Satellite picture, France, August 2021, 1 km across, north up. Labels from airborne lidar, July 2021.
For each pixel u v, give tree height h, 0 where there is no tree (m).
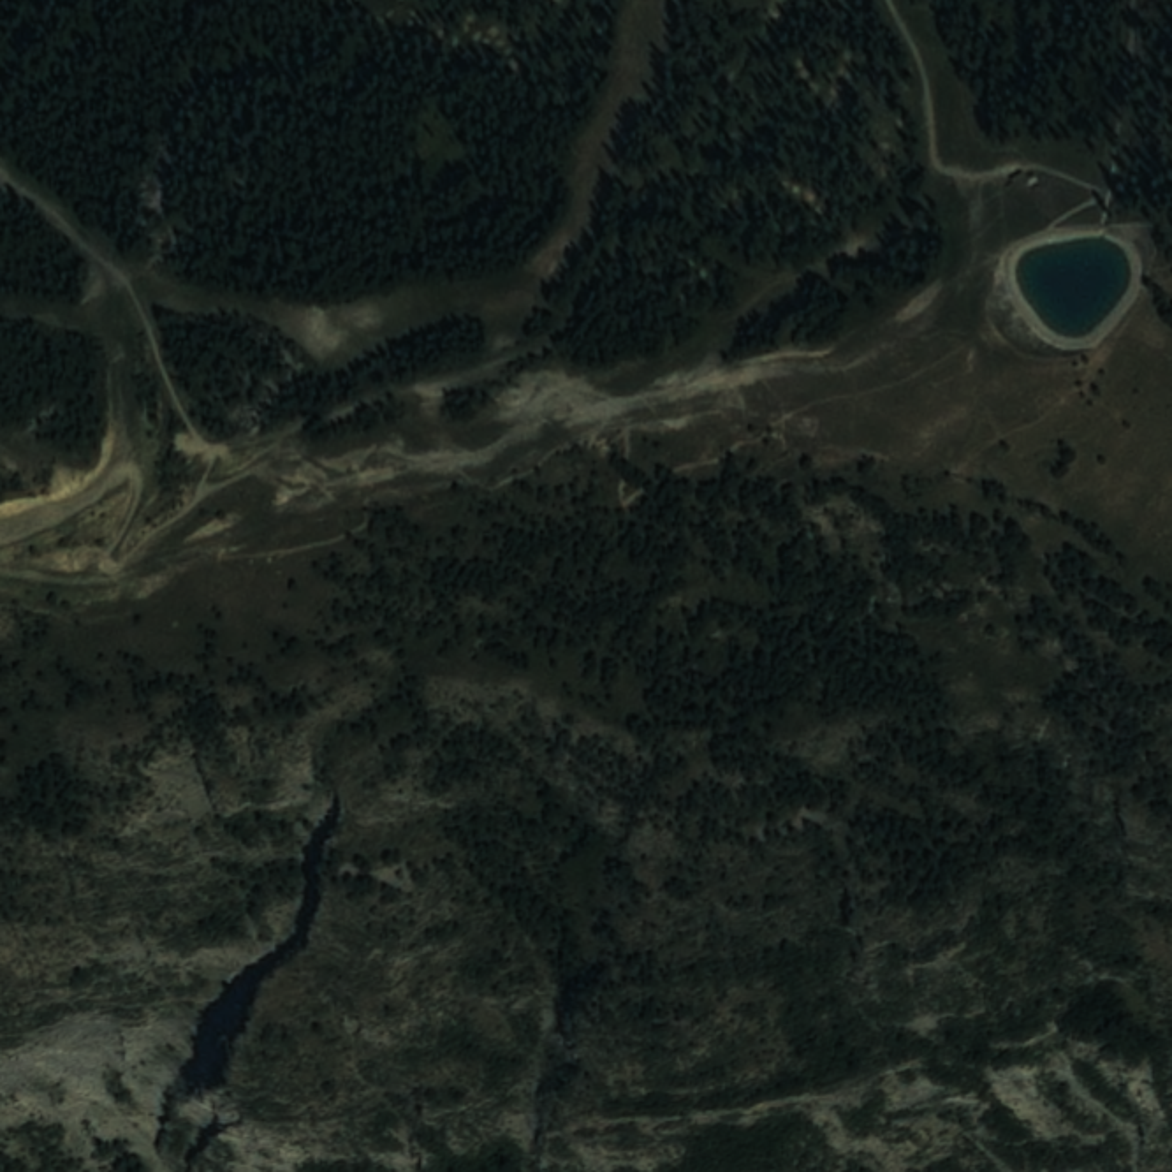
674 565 15
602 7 0
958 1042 9
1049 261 0
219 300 0
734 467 14
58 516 0
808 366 0
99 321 0
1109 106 0
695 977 12
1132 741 8
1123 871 7
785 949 17
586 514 8
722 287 19
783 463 0
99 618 0
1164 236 18
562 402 0
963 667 0
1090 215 0
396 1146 6
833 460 0
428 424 0
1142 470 0
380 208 17
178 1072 0
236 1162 8
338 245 17
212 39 19
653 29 0
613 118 0
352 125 26
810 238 25
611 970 8
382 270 16
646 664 12
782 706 21
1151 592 20
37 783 12
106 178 13
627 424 0
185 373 9
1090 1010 14
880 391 0
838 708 8
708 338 0
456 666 0
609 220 20
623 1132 7
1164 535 0
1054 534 0
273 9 18
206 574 0
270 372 16
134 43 28
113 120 6
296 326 0
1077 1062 7
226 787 0
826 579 17
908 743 12
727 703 17
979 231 0
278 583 0
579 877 0
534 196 24
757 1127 7
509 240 21
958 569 0
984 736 8
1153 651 16
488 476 0
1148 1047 15
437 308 0
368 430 11
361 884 15
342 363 0
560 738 8
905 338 0
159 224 14
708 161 0
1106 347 0
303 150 24
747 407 0
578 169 0
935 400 0
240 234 15
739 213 0
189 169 18
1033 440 0
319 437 14
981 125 0
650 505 12
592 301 18
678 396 0
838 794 11
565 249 0
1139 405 0
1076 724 9
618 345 15
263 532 0
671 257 26
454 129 25
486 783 9
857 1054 9
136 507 0
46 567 0
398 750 16
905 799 7
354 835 0
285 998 0
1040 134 25
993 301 0
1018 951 8
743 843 16
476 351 13
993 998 7
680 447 0
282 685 0
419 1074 0
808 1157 9
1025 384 0
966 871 16
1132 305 0
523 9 24
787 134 23
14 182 0
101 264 0
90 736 0
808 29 17
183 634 0
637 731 12
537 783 8
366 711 7
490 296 0
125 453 0
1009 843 10
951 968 6
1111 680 9
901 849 15
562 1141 6
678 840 8
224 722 8
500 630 15
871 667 20
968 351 0
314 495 0
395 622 13
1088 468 0
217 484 0
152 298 0
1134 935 7
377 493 0
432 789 7
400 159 24
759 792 17
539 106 33
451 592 7
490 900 7
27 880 10
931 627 0
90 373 8
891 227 0
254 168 22
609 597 14
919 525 14
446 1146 7
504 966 16
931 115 0
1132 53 0
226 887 7
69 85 25
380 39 21
